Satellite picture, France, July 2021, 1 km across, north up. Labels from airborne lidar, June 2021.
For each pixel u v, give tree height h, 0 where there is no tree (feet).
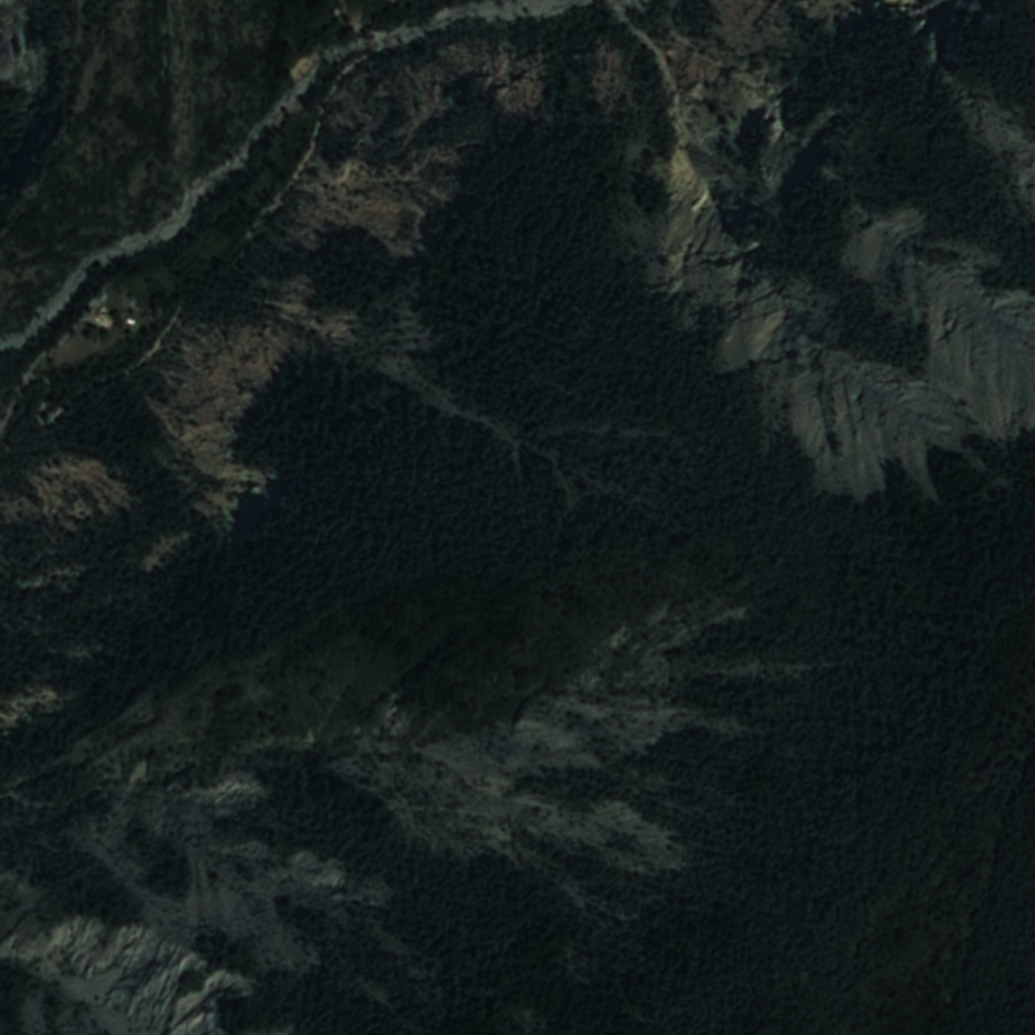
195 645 33
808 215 34
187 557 19
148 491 39
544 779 19
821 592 38
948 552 45
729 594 19
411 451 60
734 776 28
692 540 47
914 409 0
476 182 55
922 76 53
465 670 20
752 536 33
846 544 37
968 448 26
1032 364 0
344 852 20
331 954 29
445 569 44
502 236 88
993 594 57
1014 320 0
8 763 61
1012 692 29
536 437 23
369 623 39
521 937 54
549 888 37
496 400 44
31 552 39
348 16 41
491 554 47
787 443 27
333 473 54
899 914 27
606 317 36
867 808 72
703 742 39
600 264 50
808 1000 53
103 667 19
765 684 33
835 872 61
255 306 48
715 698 28
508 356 46
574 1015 20
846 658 30
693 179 0
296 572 33
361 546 47
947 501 29
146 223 21
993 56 31
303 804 45
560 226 88
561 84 20
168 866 32
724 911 34
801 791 28
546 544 52
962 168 23
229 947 19
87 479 0
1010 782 45
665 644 19
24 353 26
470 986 58
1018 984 27
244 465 19
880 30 35
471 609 39
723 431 30
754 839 39
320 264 22
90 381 27
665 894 22
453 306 36
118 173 26
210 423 0
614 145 73
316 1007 54
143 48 19
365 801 47
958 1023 32
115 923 19
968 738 60
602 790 24
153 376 20
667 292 25
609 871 26
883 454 0
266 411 62
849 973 35
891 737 41
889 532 73
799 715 30
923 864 46
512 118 19
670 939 38
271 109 26
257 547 36
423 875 24
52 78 21
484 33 35
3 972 27
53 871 37
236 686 23
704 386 23
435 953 49
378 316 21
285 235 26
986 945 45
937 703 47
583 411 26
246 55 21
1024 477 31
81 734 21
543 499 38
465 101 49
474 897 37
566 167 95
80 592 44
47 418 42
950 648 54
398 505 58
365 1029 43
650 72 41
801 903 27
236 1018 24
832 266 40
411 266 42
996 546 72
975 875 45
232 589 22
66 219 17
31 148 30
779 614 36
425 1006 31
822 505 37
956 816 19
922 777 45
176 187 19
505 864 37
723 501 25
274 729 29
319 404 56
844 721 29
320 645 42
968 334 0
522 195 94
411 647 29
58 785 69
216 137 29
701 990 42
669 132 37
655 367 30
